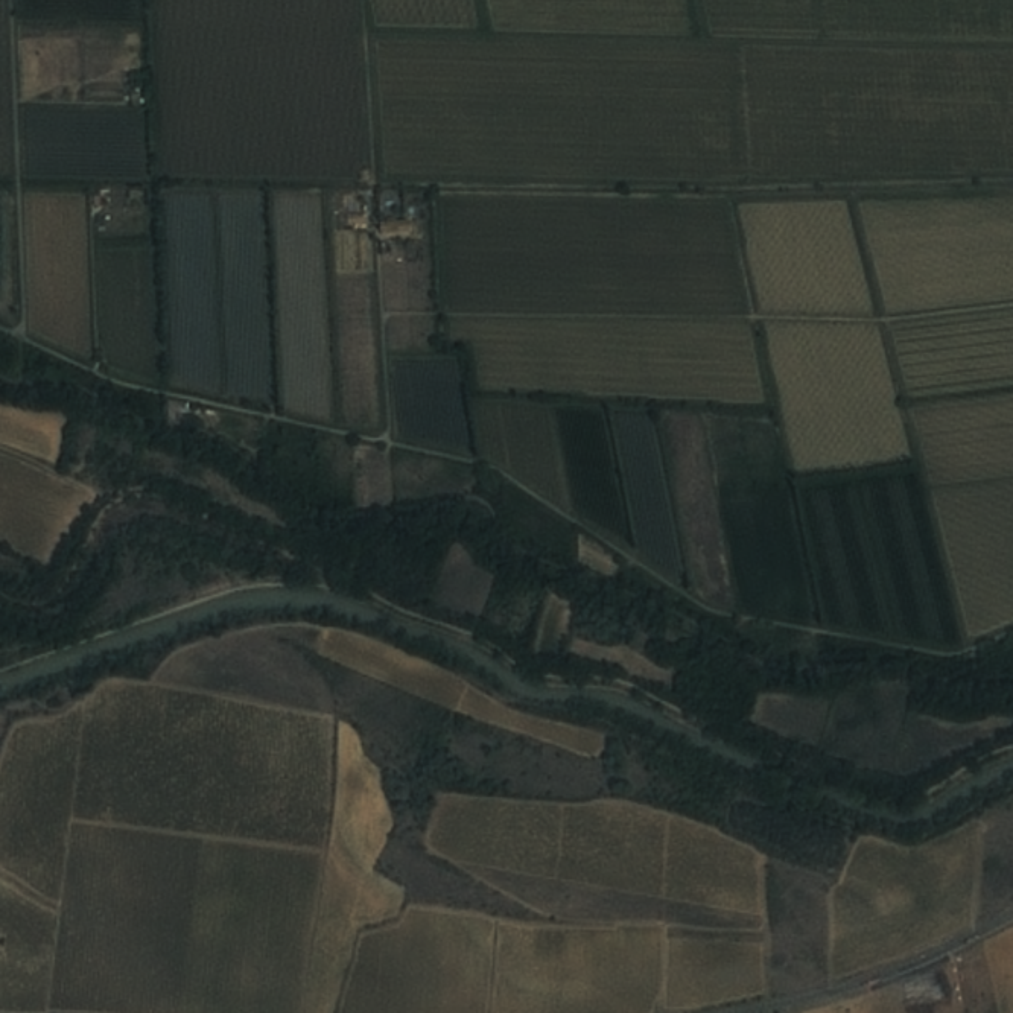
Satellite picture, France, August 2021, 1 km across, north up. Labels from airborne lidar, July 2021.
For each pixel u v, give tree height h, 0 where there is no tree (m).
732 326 0
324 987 0
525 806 0
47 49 0
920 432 0
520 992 0
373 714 0
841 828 7
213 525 11
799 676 14
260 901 0
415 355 0
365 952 0
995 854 0
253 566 12
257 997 0
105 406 20
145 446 8
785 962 0
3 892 0
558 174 0
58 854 0
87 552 6
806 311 0
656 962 0
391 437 0
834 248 0
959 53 0
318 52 0
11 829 0
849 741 0
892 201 0
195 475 5
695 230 0
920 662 7
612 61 0
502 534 23
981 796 13
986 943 0
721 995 0
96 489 0
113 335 0
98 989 0
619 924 0
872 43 0
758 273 0
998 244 0
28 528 0
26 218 0
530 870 0
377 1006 0
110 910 0
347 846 0
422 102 0
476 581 0
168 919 0
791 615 0
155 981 0
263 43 0
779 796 18
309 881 0
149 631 0
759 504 0
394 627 16
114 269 0
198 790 0
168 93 0
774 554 0
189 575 9
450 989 0
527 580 17
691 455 0
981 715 17
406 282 0
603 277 0
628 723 10
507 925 0
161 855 0
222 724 0
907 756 0
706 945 0
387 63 0
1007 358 0
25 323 0
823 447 0
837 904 0
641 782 0
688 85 0
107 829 0
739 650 11
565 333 0
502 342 0
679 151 0
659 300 0
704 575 0
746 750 17
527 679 15
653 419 13
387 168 0
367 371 0
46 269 0
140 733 0
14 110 0
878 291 0
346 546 21
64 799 0
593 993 0
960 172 0
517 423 0
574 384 0
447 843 0
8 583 8
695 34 0
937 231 0
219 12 0
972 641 0
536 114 0
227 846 0
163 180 8
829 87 0
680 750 14
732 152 0
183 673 0
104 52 0
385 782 10
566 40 0
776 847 6
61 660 0
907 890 0
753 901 0
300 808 0
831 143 0
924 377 0
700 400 0
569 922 0
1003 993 0
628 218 0
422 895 0
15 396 15
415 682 0
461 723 9
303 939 0
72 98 0
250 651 0
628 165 0
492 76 0
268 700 0
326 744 0
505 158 0
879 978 0
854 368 0
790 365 0
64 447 7
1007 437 0
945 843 0
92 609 7
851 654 11
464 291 0
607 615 22
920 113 0
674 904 0
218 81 0
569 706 8
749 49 0
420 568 15
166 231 17
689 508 0
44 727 0
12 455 0
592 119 0
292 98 0
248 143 0
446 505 16
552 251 0
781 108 0
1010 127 0
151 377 0
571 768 0
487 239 0
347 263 0
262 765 0
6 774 0
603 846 0
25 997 0
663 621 12
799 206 0
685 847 0
